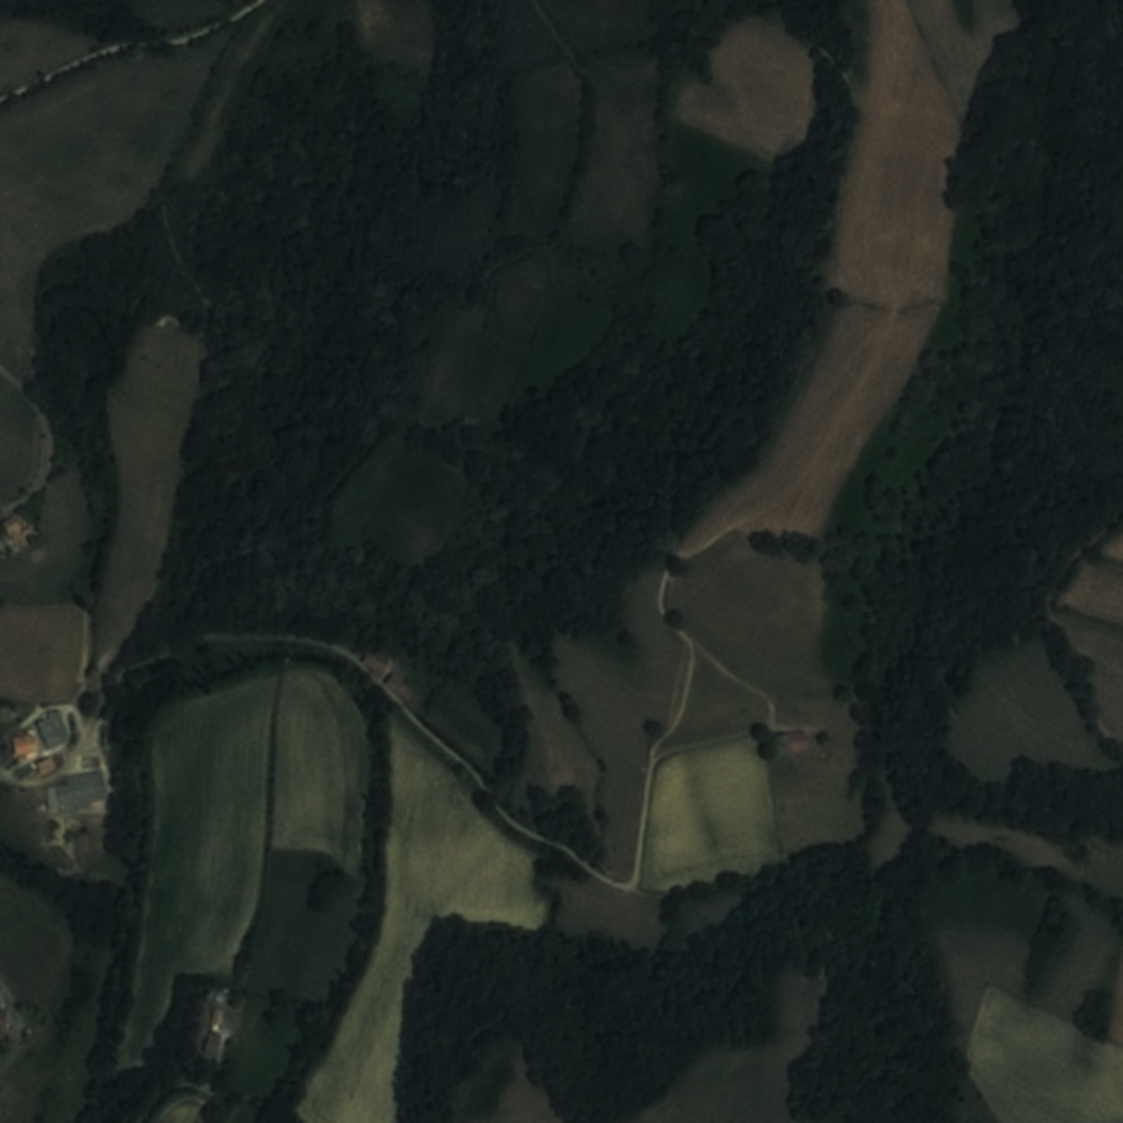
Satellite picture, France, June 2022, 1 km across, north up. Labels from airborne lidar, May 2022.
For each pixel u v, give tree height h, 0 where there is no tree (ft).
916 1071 84
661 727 44
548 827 70
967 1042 0
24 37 0
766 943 61
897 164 0
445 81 55
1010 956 0
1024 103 93
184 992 42
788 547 53
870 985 94
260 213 32
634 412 72
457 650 52
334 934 0
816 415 0
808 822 0
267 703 0
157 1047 41
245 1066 0
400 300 55
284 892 0
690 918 0
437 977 63
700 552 0
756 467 56
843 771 0
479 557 29
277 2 0
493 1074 0
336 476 25
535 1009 56
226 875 0
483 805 66
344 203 32
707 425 60
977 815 51
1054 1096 0
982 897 0
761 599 0
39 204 0
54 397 65
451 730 0
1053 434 52
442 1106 62
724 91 0
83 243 35
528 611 63
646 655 0
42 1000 0
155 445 0
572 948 77
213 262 39
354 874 0
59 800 0
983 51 0
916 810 72
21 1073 0
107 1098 63
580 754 0
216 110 0
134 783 23
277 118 29
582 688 0
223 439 64
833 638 0
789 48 0
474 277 22
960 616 68
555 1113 36
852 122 70
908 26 0
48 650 0
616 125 0
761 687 0
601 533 65
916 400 43
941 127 0
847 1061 80
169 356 0
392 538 0
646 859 0
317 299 45
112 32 45
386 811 52
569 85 0
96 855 0
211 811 0
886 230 0
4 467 0
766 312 81
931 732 53
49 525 0
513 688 52
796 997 0
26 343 0
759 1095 0
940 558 96
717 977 90
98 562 29
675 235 0
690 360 37
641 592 0
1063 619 0
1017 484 74
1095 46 72
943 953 0
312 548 47
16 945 0
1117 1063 0
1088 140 73
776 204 65
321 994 0
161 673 87
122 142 0
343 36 25
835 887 67
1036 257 83
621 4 0
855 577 46
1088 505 75
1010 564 81
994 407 59
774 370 73
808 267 43
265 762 0
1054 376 61
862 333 0
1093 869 0
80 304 64
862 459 0
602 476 72
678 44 53
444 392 0
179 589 52
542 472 69
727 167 0
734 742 0
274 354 72
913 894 51
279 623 53
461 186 31
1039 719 0
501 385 0
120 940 42
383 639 54
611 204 0
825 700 0
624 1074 93
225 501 60
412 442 44
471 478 42
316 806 0
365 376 66
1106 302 75
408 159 47
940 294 0
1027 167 110
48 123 0
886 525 50
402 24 0
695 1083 0
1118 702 0
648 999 85
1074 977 0
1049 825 80
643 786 0
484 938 56
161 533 0
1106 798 60
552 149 0
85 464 18
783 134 0
